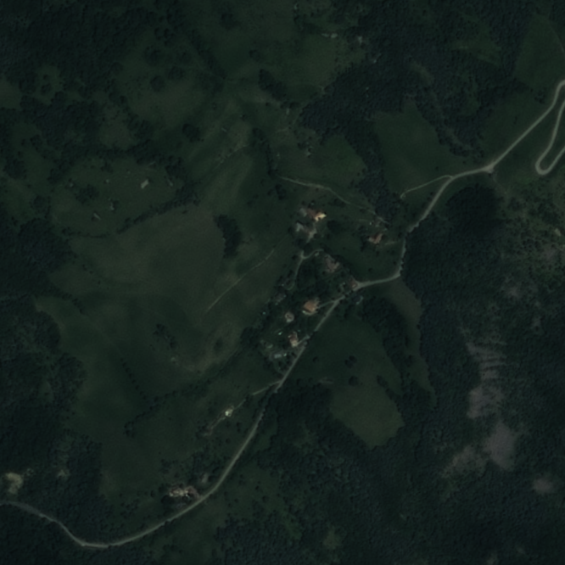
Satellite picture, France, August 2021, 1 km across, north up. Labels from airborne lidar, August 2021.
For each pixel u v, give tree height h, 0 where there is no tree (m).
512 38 14
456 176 0
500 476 8
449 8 8
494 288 7
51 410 8
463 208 22
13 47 10
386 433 0
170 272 0
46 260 14
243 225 0
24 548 10
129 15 11
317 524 12
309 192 0
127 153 6
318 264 9
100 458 11
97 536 14
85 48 11
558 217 9
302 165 0
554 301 7
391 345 17
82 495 11
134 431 7
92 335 0
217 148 0
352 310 13
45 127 9
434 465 11
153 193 0
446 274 10
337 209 0
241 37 0
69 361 11
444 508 6
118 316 0
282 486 7
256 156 0
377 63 10
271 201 0
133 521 0
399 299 0
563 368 8
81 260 0
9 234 22
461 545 25
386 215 15
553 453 18
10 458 29
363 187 9
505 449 0
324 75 0
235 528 9
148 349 0
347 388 0
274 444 12
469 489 9
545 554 16
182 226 0
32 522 9
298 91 0
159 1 14
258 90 0
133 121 9
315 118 14
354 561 16
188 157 0
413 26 11
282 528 8
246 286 0
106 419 0
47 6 13
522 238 7
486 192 13
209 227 0
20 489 8
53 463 8
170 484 8
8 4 17
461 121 13
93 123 6
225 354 0
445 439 7
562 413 15
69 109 12
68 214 0
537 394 10
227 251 9
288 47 0
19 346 11
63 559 14
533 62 0
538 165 0
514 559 14
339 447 8
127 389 0
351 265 9
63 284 0
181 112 0
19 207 0
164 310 0
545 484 0
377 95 16
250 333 18
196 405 0
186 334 0
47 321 12
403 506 8
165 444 0
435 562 11
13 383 8
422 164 0
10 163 10
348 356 0
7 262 17
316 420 9
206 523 0
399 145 0
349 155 0
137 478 0
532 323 16
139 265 0
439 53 13
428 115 7
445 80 10
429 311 18
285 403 13
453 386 11
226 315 0
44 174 0
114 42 14
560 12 9
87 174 0
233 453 0
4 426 14
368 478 12
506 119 0
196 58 0
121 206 0
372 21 17
